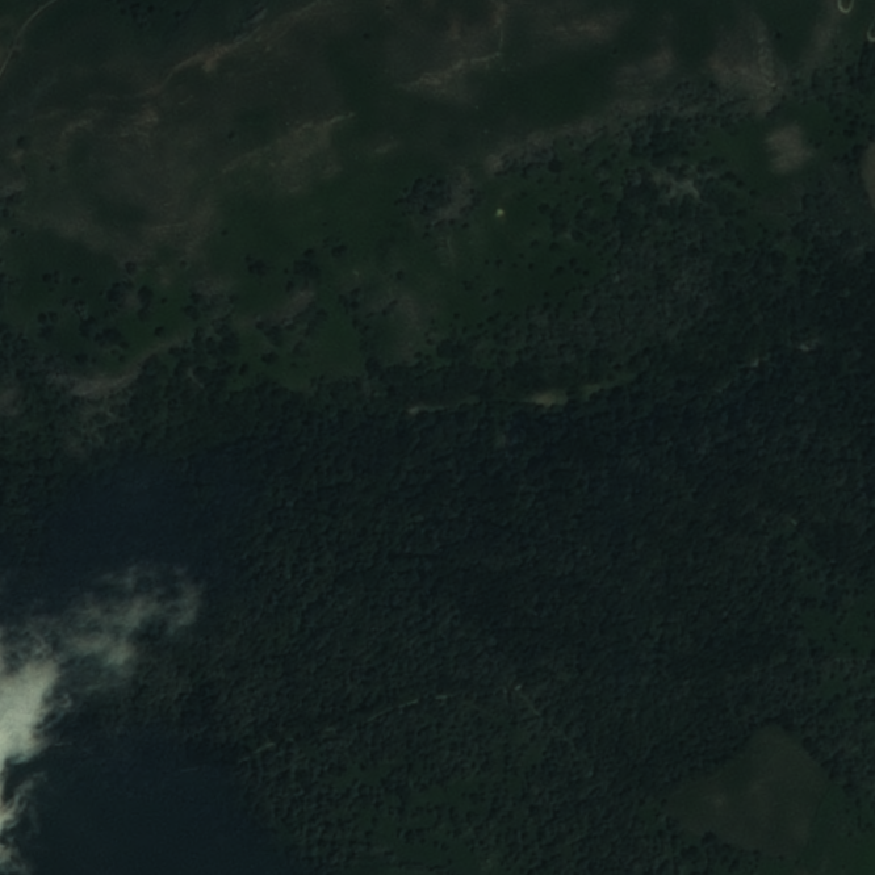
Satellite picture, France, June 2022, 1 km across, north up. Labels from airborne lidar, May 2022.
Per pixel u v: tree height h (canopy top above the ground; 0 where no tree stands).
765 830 0
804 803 0
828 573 9
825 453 24
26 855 0
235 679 15
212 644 18
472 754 8
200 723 14
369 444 28
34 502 24
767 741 0
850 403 29
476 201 10
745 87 0
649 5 0
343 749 12
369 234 0
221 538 16
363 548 21
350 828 7
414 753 11
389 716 10
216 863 0
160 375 22
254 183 0
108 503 8
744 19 0
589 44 0
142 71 0
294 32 0
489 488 28
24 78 0
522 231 0
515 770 13
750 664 14
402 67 0
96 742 15
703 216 11
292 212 0
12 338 24
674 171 12
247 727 8
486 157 0
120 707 15
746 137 0
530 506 12
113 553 27
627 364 20
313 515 18
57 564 29
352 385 9
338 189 0
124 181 0
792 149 0
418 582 15
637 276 13
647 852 11
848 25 0
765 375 23
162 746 17
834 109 12
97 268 0
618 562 20
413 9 0
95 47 0
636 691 16
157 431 21
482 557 24
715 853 11
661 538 16
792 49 0
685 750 12
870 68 13
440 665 14
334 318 0
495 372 9
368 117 0
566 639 13
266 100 0
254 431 10
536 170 10
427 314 0
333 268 0
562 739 8
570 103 0
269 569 18
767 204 0
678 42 0
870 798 9
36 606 18
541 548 16
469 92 0
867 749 12
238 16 0
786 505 16
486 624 14
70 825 0
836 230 7
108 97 0
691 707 14
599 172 13
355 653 17
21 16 0
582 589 20
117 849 0
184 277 0
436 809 7
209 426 25
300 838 9
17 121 0
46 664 11
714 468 17
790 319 12
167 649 26
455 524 24
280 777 8
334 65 0
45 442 9
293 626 15
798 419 16
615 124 0
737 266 20
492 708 9
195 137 0
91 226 0
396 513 20
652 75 0
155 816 0
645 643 20
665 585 15
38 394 10
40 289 0
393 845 0
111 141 0
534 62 0
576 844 11
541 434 27
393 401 17
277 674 12
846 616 7
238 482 15
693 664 17
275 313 0
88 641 10
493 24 0
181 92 0
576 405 17
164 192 0
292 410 28
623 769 12
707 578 16
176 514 17
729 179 12
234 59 0
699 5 0
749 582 16
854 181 9
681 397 20
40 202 0
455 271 0
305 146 0
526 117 0
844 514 24
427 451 16
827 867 0
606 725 10
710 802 0
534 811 15
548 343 14
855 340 17
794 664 12
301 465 24
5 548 27
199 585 26
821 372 23
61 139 0
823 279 12
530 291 0
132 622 28
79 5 0
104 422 14
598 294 14
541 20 0
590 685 15
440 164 0
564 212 11
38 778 0
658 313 9
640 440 33
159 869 0
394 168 0
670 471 19
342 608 18
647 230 10
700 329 15
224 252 0
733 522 19
